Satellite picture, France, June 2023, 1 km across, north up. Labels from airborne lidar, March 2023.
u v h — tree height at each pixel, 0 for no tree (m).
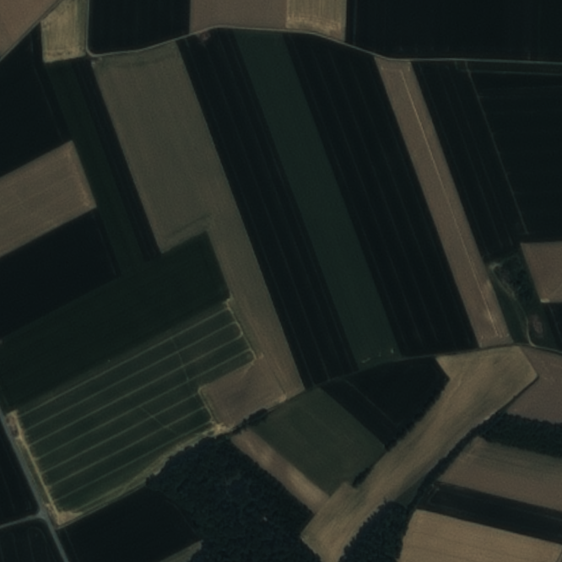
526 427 9
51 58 0
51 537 0
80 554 0
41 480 0
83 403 0
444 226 0
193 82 0
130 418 0
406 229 0
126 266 0
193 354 0
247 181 0
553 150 0
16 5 0
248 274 0
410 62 0
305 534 0
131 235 0
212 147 0
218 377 0
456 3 0
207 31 0
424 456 0
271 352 0
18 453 0
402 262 0
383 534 29
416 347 0
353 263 0
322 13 0
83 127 0
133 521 0
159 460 0
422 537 0
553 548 0
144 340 0
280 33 0
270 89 0
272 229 0
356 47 0
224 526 24
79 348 0
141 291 0
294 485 0
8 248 0
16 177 0
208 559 26
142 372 0
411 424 7
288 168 0
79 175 0
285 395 0
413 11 0
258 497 26
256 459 0
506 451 0
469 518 0
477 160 0
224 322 0
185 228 0
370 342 0
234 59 0
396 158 0
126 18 0
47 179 0
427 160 0
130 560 0
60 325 0
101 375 0
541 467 0
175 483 21
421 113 0
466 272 0
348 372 0
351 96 0
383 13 0
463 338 0
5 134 0
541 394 0
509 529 0
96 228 0
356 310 0
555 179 0
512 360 0
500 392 0
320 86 0
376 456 0
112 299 0
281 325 0
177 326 0
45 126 0
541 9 0
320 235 0
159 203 0
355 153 0
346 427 0
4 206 0
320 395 0
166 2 0
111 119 0
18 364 0
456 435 0
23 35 0
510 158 0
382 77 0
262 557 27
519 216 0
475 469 0
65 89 0
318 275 0
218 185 0
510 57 0
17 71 0
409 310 0
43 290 0
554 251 0
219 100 0
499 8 0
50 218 0
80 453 0
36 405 0
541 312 0
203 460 25
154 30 0
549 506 0
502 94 0
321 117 0
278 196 0
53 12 0
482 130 0
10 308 0
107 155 0
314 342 0
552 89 0
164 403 0
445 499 0
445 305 0
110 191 0
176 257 0
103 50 0
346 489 0
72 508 0
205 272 0
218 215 0
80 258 0
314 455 0
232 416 0
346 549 0
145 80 0
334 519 0
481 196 0
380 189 0
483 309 0
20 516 0
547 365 0
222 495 17
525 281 8
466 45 0
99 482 0
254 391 0
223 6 0
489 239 0
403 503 0
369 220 0
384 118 0
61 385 0
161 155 0
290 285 0
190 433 0
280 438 0
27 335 0
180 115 0
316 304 0
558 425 8
